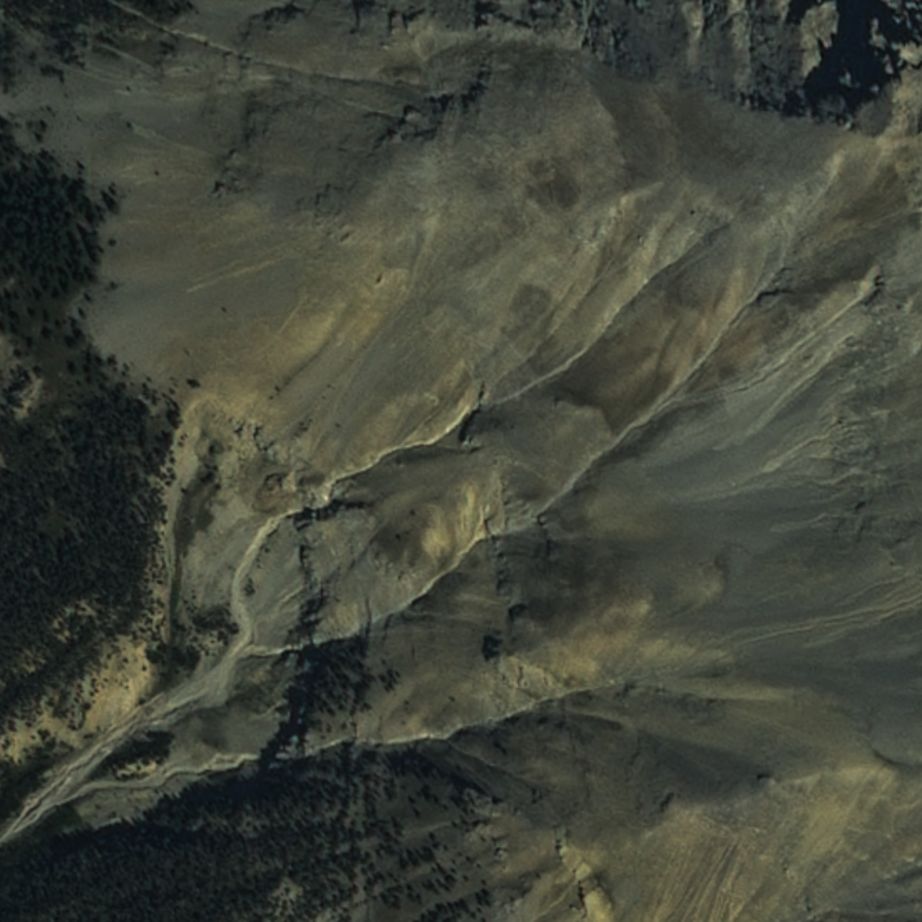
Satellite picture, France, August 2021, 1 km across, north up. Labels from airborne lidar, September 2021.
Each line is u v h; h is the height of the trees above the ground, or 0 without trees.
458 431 0
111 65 0
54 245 14
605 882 0
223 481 0
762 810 0
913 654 0
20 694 8
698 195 0
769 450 0
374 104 0
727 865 0
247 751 0
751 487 0
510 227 0
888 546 0
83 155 0
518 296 0
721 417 0
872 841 0
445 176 0
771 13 0
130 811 0
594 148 0
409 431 0
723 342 0
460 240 0
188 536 0
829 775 0
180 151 0
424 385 0
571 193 0
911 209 0
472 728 0
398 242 0
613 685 0
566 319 0
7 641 13
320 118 0
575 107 0
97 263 14
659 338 0
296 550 0
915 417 0
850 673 0
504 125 0
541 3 0
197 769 0
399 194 0
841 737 0
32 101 0
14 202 15
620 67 0
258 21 0
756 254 0
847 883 0
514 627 0
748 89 0
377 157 0
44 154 7
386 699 0
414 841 0
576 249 0
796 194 0
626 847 0
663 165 0
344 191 0
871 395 0
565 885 0
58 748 0
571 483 0
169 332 0
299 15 0
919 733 0
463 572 0
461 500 0
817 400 0
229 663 0
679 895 0
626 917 0
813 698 0
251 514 0
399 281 0
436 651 0
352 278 0
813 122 0
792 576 0
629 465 0
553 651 0
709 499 0
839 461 0
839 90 0
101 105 0
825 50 0
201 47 0
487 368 0
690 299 0
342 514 0
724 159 0
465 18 0
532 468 0
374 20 0
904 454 0
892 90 0
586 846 0
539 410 0
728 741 0
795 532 0
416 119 0
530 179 0
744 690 0
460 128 0
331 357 0
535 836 0
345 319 0
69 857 15
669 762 0
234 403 0
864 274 0
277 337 0
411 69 0
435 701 0
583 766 0
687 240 0
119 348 0
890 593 0
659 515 0
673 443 0
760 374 0
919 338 0
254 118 0
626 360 0
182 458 0
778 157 0
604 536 0
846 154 0
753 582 0
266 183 0
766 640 0
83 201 9
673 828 0
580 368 0
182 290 0
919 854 0
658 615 0
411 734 0
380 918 0
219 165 0
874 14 0
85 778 0
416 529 0
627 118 0
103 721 0
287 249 0
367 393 0
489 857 0
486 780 0
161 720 0
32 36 0
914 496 0
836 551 0
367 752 0
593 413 0
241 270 0
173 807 14
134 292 0
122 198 0
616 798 0
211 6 0
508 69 0
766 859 0
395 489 0
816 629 0
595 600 0
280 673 0
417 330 0
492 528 0
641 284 0
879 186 0
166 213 0
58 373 0
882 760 0
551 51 0
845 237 0
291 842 8
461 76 0
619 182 0
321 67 0
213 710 0
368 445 0
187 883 9
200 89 0
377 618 0
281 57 0
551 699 0
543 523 0
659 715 0
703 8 0
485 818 0
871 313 0
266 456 0
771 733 0
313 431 0
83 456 18
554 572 0
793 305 0
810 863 0
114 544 7
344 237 0
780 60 0
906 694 0
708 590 0
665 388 0
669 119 0
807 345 0
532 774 0
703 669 0
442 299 0
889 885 0
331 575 0
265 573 0
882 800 0
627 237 0
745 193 0
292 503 0
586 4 0
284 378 0
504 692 0
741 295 0
